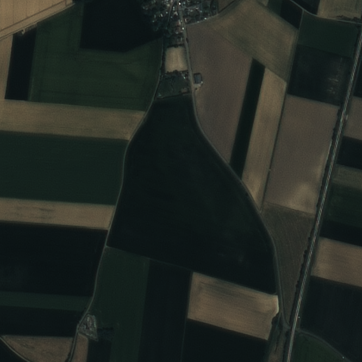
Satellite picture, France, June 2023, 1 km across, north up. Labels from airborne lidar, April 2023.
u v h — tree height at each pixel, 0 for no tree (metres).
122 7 0
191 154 0
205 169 0
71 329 0
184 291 0
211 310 0
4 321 0
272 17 0
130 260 0
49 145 0
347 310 0
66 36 0
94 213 0
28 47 0
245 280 0
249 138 0
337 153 0
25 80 0
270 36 0
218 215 0
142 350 0
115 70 0
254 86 0
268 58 0
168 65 0
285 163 0
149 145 0
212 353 0
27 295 0
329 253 0
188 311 0
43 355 0
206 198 0
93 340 0
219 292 0
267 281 0
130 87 0
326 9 0
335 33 0
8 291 0
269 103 0
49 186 0
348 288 0
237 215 0
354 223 0
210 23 0
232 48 0
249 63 0
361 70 0
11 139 0
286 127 0
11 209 0
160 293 0
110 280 0
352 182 0
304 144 0
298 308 0
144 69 0
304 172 0
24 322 0
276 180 0
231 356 0
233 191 0
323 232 0
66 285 0
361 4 0
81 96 0
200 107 0
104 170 0
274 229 0
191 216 0
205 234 0
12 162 0
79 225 0
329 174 0
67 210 0
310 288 0
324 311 0
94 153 0
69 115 0
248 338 0
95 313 0
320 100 0
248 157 0
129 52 0
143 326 0
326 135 0
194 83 0
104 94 0
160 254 0
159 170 0
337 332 0
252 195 0
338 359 0
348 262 0
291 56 0
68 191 0
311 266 0
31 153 0
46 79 0
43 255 0
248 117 0
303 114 0
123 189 0
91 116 0
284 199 0
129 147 0
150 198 0
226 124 0
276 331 0
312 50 0
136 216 0
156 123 0
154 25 7
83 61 0
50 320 0
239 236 0
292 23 0
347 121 0
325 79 0
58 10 0
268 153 0
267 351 0
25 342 0
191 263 0
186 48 0
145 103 0
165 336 0
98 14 0
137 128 0
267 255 0
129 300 0
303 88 0
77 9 0
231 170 0
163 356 0
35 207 0
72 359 0
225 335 0
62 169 0
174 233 0
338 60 0
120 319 0
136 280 0
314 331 0
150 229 0
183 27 0
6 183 0
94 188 0
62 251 0
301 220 0
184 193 0
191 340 0
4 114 0
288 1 0
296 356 0
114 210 0
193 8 0
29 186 0
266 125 0
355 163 0
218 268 0
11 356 0
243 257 0
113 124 0
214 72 0
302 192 0
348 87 0
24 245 0
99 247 0
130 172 0
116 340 0
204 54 0
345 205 0
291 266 0
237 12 0
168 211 0
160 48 0
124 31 0
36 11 0
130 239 0
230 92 0
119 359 0
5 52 0
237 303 0
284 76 0
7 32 0
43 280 0
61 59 0
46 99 0
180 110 0
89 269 0
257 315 0
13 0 0
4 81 0
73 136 0
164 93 0
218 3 0
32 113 0
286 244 0
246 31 0
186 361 0
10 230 0
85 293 0
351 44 0
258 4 0
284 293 0
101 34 0
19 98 0
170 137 0
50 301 0
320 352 0
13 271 0
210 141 0
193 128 0
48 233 0
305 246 0
